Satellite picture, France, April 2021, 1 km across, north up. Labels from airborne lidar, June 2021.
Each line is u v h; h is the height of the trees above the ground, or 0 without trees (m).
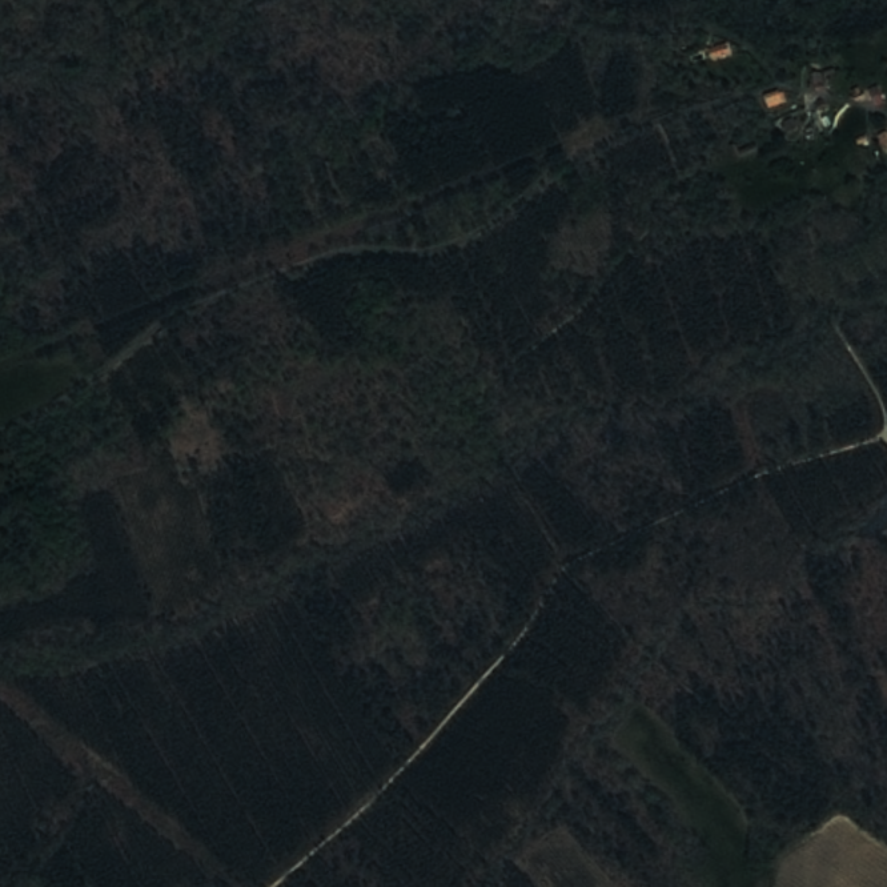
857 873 0
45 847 15
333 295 15
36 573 13
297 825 16
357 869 8
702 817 0
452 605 6
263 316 9
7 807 14
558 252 16
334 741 11
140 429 9
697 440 15
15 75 17
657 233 13
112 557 9
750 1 20
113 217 14
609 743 11
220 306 8
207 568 6
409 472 12
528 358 12
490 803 9
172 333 11
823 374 19
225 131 13
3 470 7
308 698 12
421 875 17
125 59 19
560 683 16
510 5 17
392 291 16
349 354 7
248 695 16
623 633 15
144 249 16
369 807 0
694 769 0
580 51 12
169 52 12
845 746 0
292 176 23
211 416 9
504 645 17
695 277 16
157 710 15
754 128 15
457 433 17
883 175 18
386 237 10
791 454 17
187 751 15
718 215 15
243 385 16
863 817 12
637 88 6
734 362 16
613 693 0
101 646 18
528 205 10
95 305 12
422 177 18
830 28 14
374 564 16
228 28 14
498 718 11
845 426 15
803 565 14
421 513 15
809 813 13
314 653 15
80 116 17
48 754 11
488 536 16
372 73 13
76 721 16
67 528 19
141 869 14
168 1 18
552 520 15
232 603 18
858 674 9
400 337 13
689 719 20
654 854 15
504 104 13
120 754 17
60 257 13
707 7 18
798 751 13
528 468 12
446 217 14
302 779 16
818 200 15
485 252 14
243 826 12
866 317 19
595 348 13
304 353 18
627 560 14
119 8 16
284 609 14
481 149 17
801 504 12
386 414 19
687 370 14
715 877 0
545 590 15
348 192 14
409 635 15
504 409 18
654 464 10
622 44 16
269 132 14
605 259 14
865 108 0
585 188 14
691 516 5
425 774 10
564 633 17
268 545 20
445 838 17
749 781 13
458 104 12
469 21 12
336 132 12
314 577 12
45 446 11
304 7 12
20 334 17
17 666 17
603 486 19
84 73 15
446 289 13
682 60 7
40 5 18
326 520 13
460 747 10
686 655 0
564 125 13
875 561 9
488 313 13
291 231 10
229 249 9
